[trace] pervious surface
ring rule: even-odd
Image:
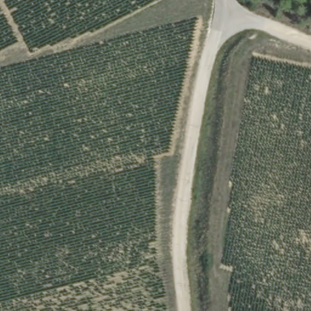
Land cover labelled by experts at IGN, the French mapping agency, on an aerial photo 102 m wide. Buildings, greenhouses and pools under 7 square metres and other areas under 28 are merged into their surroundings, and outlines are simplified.
[[[253,19],[254,26],[251,29],[264,30],[288,43],[311,50],[311,35],[301,33],[298,29],[285,26],[273,19],[258,16]]]

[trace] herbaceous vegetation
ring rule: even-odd
[[[75,46],[103,44],[104,40],[115,36],[140,33],[142,30],[180,22],[182,19],[197,19],[169,151],[153,157],[155,241],[149,243],[148,247],[155,248],[157,253],[147,253],[145,259],[157,261],[158,276],[162,278],[165,288],[165,295],[158,298],[157,302],[165,304],[166,311],[177,311],[171,256],[173,200],[182,149],[185,147],[188,111],[207,38],[211,4],[214,0],[149,0],[146,5],[94,32],[80,34],[55,45],[35,47],[30,52],[16,22],[13,21],[12,12],[17,11],[17,7],[9,9],[4,0],[0,0],[0,9],[17,39],[17,43],[0,50],[0,67],[24,62],[40,55],[66,51]]]
[[[238,131],[242,121],[239,109],[242,107],[241,100],[247,84],[249,61],[254,56],[311,68],[311,50],[288,43],[264,30],[251,29],[244,29],[232,35],[221,45],[211,69],[205,97],[194,165],[191,208],[187,221],[186,264],[191,311],[231,311],[228,283],[231,271],[222,270],[220,265],[226,222],[230,215],[226,213],[231,190],[228,182],[232,181],[233,155],[236,152]]]
[[[285,26],[298,29],[301,33],[311,35],[311,17],[305,12],[304,15],[294,15],[289,19],[277,12],[273,19]]]

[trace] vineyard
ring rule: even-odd
[[[0,67],[0,311],[166,311],[165,304],[157,302],[158,298],[165,295],[165,288],[162,278],[158,276],[157,261],[145,259],[147,253],[157,253],[155,248],[148,247],[149,243],[155,241],[153,157],[169,151],[197,19],[182,19],[180,22],[142,30],[140,33],[115,36],[104,40],[103,44],[75,46],[66,51],[40,55],[24,62]]]
[[[94,32],[146,5],[149,0],[4,0],[9,9],[17,7],[17,11],[12,12],[13,21],[16,22],[30,52],[35,47],[55,45],[80,34]]]
[[[17,39],[0,9],[0,50],[17,43]]]
[[[239,109],[242,121],[238,131],[236,152],[233,155],[232,181],[228,182],[231,190],[226,213],[230,215],[226,222],[220,265],[222,270],[231,271],[228,283],[231,311],[311,311],[311,68],[254,56],[249,61],[247,84],[241,100],[242,107]]]

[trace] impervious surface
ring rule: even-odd
[[[185,147],[182,149],[173,200],[171,256],[177,311],[191,311],[186,264],[187,221],[191,208],[194,165],[205,97],[211,69],[221,45],[232,35],[244,29],[251,29],[254,26],[253,19],[258,16],[239,4],[238,0],[214,0],[211,4],[207,38],[188,111]]]

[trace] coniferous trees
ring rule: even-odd
[[[304,15],[305,12],[311,17],[311,0],[238,0],[239,4],[258,16],[273,19],[277,12],[289,19],[294,15]]]

